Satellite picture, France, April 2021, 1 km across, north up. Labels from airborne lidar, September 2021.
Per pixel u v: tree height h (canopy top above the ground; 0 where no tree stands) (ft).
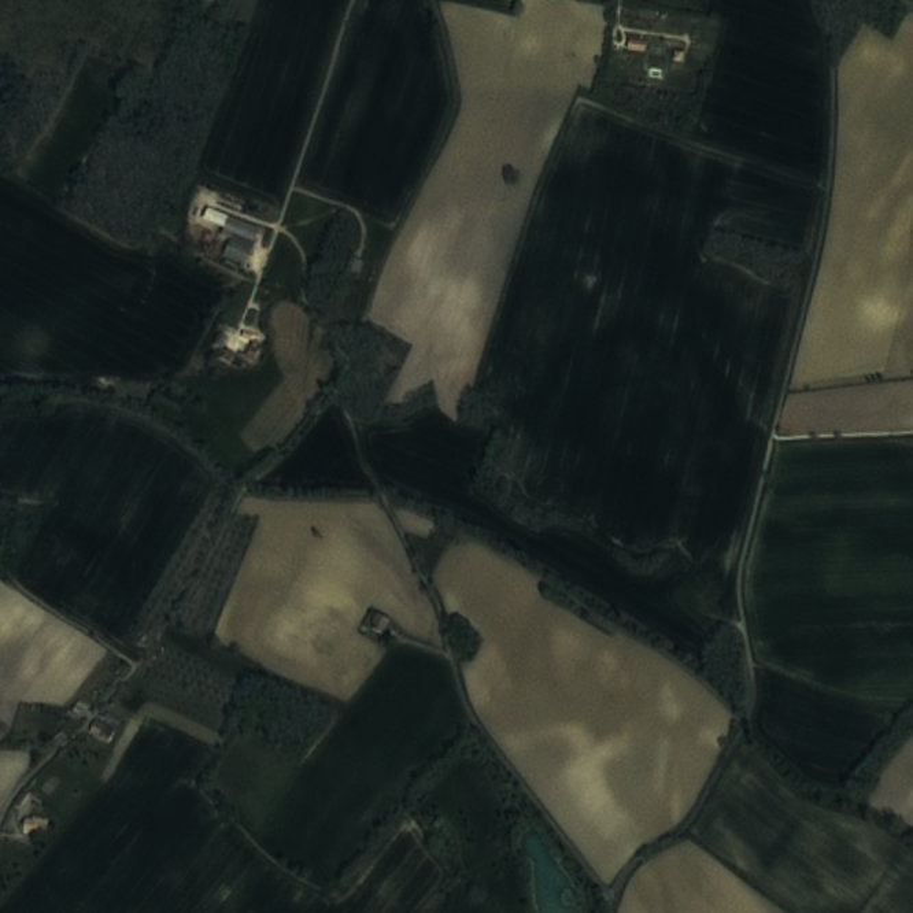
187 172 64
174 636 0
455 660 0
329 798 0
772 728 0
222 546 41
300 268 0
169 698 31
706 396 0
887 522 0
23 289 0
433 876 0
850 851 0
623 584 0
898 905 0
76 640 0
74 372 0
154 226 69
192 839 0
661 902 0
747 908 0
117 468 0
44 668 0
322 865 0
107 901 0
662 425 0
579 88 32
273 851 0
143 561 0
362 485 0
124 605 0
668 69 0
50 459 0
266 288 19
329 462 0
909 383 0
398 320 0
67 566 0
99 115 0
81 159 0
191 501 0
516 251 0
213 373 34
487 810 0
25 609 0
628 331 0
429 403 48
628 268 0
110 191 57
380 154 0
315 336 0
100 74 0
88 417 0
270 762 0
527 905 26
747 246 49
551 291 0
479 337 0
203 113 51
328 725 51
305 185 0
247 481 67
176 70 67
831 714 0
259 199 0
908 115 0
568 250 0
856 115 0
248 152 0
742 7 0
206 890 0
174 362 0
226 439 0
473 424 33
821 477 0
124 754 0
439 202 0
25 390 68
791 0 0
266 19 0
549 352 0
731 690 71
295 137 0
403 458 0
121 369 0
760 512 0
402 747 0
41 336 0
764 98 0
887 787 0
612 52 22
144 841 0
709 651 72
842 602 0
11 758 0
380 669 0
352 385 44
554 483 0
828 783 0
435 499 0
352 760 0
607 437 0
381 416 47
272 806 0
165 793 0
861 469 0
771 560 0
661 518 0
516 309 0
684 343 0
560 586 42
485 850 0
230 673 0
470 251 0
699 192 0
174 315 0
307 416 27
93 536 0
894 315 0
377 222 0
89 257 0
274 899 0
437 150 0
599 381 0
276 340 0
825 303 0
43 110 56
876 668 0
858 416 0
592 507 0
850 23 55
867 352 0
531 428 0
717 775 0
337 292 65
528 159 0
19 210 0
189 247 47
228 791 0
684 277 0
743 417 0
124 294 0
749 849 0
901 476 0
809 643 0
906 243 19
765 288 0
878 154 0
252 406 0
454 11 61
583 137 0
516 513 62
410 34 0
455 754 50
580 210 0
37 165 0
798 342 0
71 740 17
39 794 0
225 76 48
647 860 37
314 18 17
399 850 0
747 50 0
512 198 0
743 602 0
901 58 0
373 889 0
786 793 0
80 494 0
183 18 62
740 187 0
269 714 75
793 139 0
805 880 0
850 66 0
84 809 0
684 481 0
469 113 0
